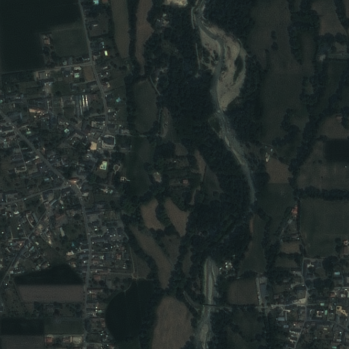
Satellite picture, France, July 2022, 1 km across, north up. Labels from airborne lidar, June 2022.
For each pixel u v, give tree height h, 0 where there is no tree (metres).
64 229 13
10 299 0
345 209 0
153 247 0
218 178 13
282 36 0
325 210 0
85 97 0
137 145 0
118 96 0
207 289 0
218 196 12
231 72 0
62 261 0
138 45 0
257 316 0
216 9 18
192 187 11
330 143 0
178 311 0
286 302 0
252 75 18
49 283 0
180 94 23
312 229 0
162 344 0
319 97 19
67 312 0
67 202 7
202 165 0
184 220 0
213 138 27
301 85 0
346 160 0
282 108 0
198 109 28
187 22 15
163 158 19
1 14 0
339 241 17
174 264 0
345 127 24
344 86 23
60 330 0
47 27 0
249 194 33
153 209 0
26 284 0
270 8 0
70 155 0
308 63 0
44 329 0
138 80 20
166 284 0
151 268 26
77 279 0
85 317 0
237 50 0
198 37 13
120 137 11
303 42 0
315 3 0
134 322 0
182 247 17
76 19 0
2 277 0
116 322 0
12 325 0
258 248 0
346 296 0
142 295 0
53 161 0
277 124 0
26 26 0
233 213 27
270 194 0
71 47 0
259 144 24
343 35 15
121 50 0
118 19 0
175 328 0
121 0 0
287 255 8
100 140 0
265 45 0
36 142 9
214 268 0
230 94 0
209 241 10
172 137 0
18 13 0
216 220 23
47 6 0
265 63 0
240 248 15
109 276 0
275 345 11
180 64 19
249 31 18
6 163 0
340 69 0
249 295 0
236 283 0
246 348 0
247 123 23
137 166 0
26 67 0
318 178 0
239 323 0
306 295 0
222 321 7
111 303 0
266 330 12
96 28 0
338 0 27
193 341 14
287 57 0
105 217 0
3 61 0
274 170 0
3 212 6
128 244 9
